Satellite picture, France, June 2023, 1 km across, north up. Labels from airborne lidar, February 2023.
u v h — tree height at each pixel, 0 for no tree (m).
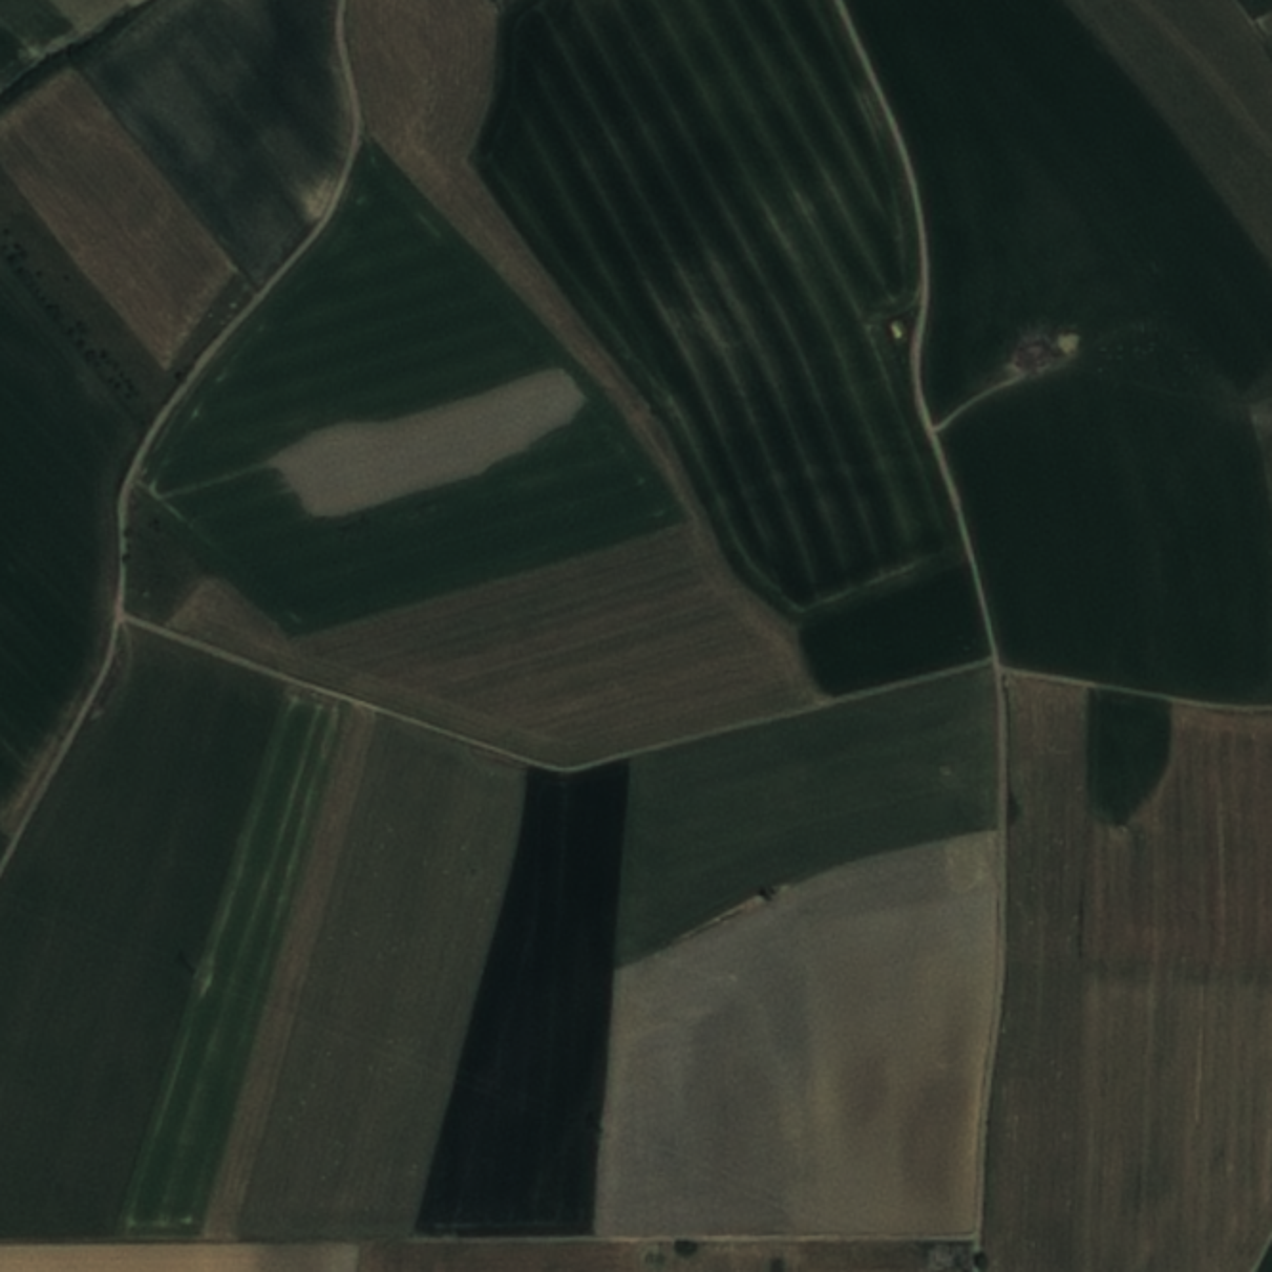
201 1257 0
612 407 0
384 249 0
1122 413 0
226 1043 0
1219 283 0
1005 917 0
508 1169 0
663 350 0
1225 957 0
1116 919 0
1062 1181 0
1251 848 0
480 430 0
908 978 0
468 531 0
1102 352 0
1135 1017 0
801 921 0
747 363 0
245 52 0
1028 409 0
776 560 0
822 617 0
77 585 0
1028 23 0
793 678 0
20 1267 0
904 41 0
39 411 0
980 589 0
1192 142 0
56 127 0
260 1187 0
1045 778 0
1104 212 0
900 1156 0
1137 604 0
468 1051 0
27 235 0
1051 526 0
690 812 0
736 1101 0
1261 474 0
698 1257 0
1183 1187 0
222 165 0
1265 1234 0
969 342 0
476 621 0
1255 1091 0
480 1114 0
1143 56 0
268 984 0
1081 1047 0
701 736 0
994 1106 0
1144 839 0
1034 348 0
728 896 0
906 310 0
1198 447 0
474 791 0
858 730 0
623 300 0
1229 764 0
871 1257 0
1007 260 0
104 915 0
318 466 0
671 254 0
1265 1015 0
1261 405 0
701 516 0
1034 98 0
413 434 0
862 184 0
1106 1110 0
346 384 0
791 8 0
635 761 0
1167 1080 0
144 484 0
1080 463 0
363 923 0
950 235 0
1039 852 0
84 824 0
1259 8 0
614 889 0
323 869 0
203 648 0
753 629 0
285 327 0
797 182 0
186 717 0
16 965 0
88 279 0
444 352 0
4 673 0
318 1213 0
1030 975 0
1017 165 0
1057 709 0
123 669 0
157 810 0
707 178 0
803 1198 0
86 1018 0
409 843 0
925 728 0
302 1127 0
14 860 0
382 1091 0
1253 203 0
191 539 0
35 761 0
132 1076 0
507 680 0
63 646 0
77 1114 0
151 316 0
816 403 0
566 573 0
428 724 0
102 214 0
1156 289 0
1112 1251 0
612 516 0
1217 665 0
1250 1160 0
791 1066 0
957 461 0
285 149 0
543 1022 0
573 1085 0
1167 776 0
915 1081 0
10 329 0
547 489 0
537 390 0
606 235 0
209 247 0
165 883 0
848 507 0
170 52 0
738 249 0
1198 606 0
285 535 0
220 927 0
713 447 0
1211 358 0
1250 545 0
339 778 0
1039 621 0
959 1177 0
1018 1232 0
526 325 0
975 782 0
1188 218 0
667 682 0
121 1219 0
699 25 0
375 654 0
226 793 0
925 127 0
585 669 0
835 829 0
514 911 0
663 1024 0
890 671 0
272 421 0
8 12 0
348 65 0
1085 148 0
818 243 0
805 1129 0
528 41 0
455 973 0
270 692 0
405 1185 0
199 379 0
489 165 0
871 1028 0
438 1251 0
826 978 0
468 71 0
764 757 0
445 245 0
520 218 0
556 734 0
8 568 0
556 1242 0
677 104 0
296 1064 0
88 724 0
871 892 0
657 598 0
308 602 0
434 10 0
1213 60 0
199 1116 0
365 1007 0
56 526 0
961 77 0
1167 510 0
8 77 0
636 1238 0
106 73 0
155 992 0
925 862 0
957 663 0
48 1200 0
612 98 0
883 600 0
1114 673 0
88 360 6
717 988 0
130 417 0
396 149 0
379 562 0
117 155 0
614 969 0
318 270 0
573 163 0
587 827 0
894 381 0
